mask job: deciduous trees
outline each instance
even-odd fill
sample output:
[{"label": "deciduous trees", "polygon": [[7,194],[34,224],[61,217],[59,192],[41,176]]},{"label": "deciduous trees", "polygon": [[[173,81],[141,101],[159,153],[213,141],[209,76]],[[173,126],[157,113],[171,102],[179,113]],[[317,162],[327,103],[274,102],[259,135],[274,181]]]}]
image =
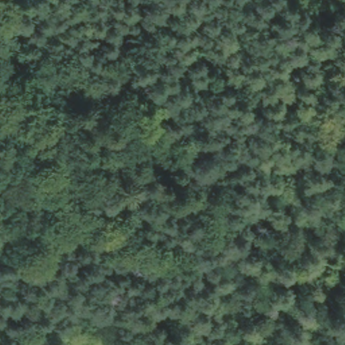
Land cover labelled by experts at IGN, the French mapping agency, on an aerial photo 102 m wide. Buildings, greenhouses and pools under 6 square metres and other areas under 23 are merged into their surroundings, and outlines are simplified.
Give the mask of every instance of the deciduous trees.
[{"label": "deciduous trees", "polygon": [[274,186],[280,190],[276,195],[278,212],[284,213],[287,205],[301,205],[295,197],[295,179],[292,179],[291,182],[279,182]]},{"label": "deciduous trees", "polygon": [[267,337],[274,333],[275,318],[268,317],[264,325],[253,329],[263,338],[264,344]]},{"label": "deciduous trees", "polygon": [[333,168],[340,168],[345,174],[345,137],[337,144],[332,163]]},{"label": "deciduous trees", "polygon": [[345,229],[345,179],[340,185],[333,185],[332,189],[314,194],[317,198],[315,208],[322,216],[330,218],[341,229]]},{"label": "deciduous trees", "polygon": [[237,313],[237,311],[239,311],[240,294],[236,290],[233,290],[232,292],[230,292],[230,295],[232,295],[232,299],[230,299],[228,303],[224,303],[224,306],[222,306],[222,313],[224,314]]},{"label": "deciduous trees", "polygon": [[129,272],[143,272],[146,274],[144,278],[150,282],[155,278],[178,278],[193,282],[203,275],[199,265],[195,264],[190,256],[159,252],[158,248],[152,245],[146,247],[135,234],[135,230],[142,225],[139,216],[129,217],[125,225],[116,232],[102,233],[100,229],[104,221],[101,220],[100,214],[106,214],[106,210],[115,208],[121,202],[115,195],[120,183],[117,179],[117,170],[147,162],[151,156],[156,156],[159,162],[167,158],[168,148],[172,142],[170,132],[160,124],[162,120],[170,117],[164,109],[156,111],[155,116],[144,117],[147,105],[137,101],[136,96],[132,97],[132,100],[120,102],[120,115],[112,117],[111,127],[127,140],[127,144],[121,150],[108,150],[108,158],[92,160],[69,146],[69,140],[65,135],[63,123],[66,111],[63,108],[67,94],[74,92],[70,86],[55,86],[53,92],[47,94],[36,86],[34,92],[27,93],[26,84],[16,86],[8,81],[13,71],[9,63],[9,51],[20,49],[18,31],[22,16],[28,15],[27,9],[36,8],[46,0],[0,0],[0,261],[15,268],[15,271],[22,272],[24,282],[35,286],[50,282],[58,270],[62,255],[74,252],[78,247],[96,252],[111,251],[113,257],[124,257],[124,267]]},{"label": "deciduous trees", "polygon": [[283,239],[265,237],[264,240],[257,241],[256,247],[276,249],[284,259],[294,261],[305,249],[306,237],[302,233],[292,234],[284,230]]}]

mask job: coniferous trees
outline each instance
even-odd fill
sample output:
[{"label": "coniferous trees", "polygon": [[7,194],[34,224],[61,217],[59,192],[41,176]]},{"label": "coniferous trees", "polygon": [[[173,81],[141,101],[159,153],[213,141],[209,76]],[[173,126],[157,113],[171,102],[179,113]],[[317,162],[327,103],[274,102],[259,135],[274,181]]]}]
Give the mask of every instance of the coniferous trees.
[{"label": "coniferous trees", "polygon": [[[158,248],[159,252],[190,256],[195,264],[199,265],[203,275],[193,282],[178,278],[155,278],[150,282],[144,278],[146,274],[143,272],[129,272],[124,267],[124,257],[113,257],[111,251],[96,252],[78,247],[74,252],[62,255],[58,270],[50,282],[35,286],[24,282],[22,272],[15,271],[15,268],[0,261],[0,345],[345,345],[345,229],[341,229],[330,218],[322,216],[315,208],[317,198],[314,194],[332,189],[333,185],[340,185],[345,179],[345,174],[340,168],[333,168],[332,163],[337,144],[345,137],[345,0],[46,0],[36,8],[27,9],[28,15],[22,16],[18,31],[20,49],[9,51],[9,63],[13,71],[8,81],[16,86],[26,84],[27,93],[34,92],[36,86],[47,94],[53,92],[55,86],[70,86],[74,92],[67,94],[63,108],[66,111],[63,123],[65,135],[69,140],[69,146],[92,160],[108,158],[108,150],[121,150],[127,144],[127,140],[111,127],[112,117],[120,115],[120,102],[132,100],[132,97],[136,96],[137,101],[147,105],[144,117],[155,116],[156,111],[164,109],[170,117],[162,120],[160,124],[170,132],[172,142],[168,148],[167,158],[159,162],[156,156],[151,156],[147,162],[117,170],[117,179],[120,183],[115,195],[121,202],[115,208],[106,210],[106,214],[100,214],[101,220],[104,221],[100,229],[102,233],[116,232],[125,225],[129,217],[139,216],[142,225],[135,230],[135,234],[146,247],[152,245]],[[295,179],[295,197],[301,205],[287,205],[284,213],[278,212],[276,195],[280,190],[274,186],[279,182],[291,182],[292,179]],[[257,241],[264,240],[265,237],[283,239],[284,230],[292,234],[302,233],[306,237],[305,249],[294,261],[284,259],[276,249],[256,247]],[[230,299],[232,299],[232,295],[230,295],[230,292],[232,292],[233,290],[236,290],[240,294],[239,311],[237,311],[237,313],[224,314],[222,313],[222,306],[224,306],[224,303],[228,303]],[[253,329],[264,325],[268,317],[275,318],[274,333],[267,337],[264,344],[263,338]]]}]

